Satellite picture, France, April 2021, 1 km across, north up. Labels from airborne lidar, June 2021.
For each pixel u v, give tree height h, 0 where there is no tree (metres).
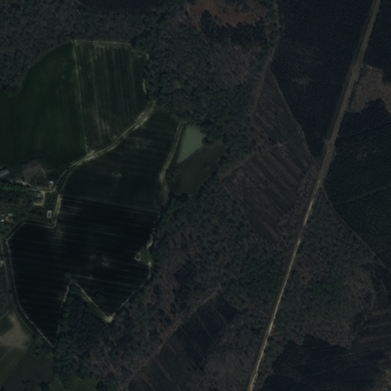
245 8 9
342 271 12
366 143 6
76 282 0
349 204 10
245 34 21
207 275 6
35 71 0
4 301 9
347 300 13
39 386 10
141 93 0
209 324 8
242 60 15
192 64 13
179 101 20
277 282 17
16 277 0
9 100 0
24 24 9
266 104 0
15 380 0
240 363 11
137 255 0
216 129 22
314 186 0
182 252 10
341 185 11
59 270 0
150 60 11
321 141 13
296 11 13
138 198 0
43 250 0
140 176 0
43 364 0
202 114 24
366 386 9
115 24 19
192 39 23
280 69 12
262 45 14
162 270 8
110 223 0
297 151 0
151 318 14
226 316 9
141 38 26
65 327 18
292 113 10
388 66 16
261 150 11
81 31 15
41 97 0
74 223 0
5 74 22
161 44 19
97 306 0
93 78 0
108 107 0
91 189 0
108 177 0
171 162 0
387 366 0
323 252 13
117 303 0
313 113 12
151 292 8
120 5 12
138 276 0
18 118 0
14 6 17
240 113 23
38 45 15
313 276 8
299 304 12
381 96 0
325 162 0
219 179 20
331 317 10
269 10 20
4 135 0
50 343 0
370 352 10
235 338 9
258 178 0
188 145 0
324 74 12
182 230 16
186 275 16
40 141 0
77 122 0
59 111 0
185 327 10
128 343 15
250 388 0
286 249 12
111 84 0
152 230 0
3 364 0
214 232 14
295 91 11
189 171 0
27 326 0
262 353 0
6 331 0
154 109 0
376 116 15
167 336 0
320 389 7
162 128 0
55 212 0
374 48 13
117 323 16
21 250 0
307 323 10
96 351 15
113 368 12
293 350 11
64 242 0
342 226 6
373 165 8
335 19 14
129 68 0
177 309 15
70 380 26
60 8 16
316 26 13
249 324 11
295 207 11
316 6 15
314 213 9
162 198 0
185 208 23
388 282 18
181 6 19
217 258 15
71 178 0
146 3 13
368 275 13
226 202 23
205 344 8
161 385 6
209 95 24
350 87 0
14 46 22
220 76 16
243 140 23
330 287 17
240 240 16
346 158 10
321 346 12
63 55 0
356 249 9
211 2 0
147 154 0
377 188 9
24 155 0
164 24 21
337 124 0
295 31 11
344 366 8
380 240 6
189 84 16
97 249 0
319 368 9
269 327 0
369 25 0
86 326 17
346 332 10
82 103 0
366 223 8
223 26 0
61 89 0
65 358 20
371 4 14
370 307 12
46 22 19
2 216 0
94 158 0
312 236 14
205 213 22
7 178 0
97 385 0
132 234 0
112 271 0
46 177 0
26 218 11
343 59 12
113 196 0
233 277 11
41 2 19
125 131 0
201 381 8
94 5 11
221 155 0
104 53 0
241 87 22
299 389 10
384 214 8
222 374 10
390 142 12
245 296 10
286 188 0
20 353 0
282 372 10
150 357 16
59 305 0
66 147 0
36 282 0
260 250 21
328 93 13
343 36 13
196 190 0
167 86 19
